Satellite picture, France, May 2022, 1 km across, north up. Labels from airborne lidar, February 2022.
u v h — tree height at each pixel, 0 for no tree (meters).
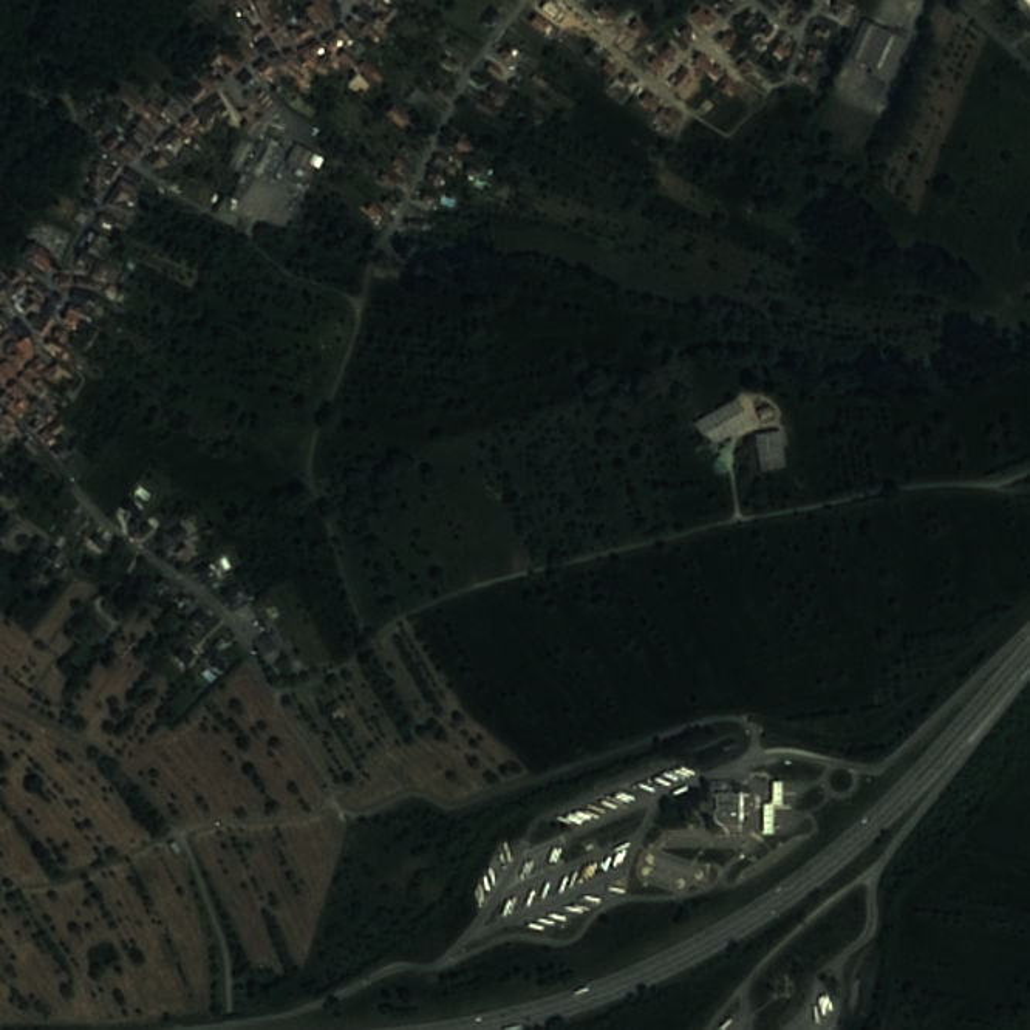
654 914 0
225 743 0
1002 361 30
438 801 0
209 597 0
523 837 0
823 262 0
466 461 0
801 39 0
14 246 14
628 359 0
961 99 0
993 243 0
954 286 36
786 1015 0
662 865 0
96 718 0
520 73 0
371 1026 0
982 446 0
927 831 6
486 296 8
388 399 0
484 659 0
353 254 13
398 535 0
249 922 0
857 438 8
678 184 0
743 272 0
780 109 0
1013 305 0
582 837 0
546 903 0
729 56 0
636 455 13
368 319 0
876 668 0
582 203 0
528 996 0
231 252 7
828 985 6
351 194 0
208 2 0
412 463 13
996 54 0
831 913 0
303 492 20
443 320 8
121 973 6
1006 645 0
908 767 0
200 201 0
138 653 7
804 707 0
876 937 0
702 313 26
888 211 0
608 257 0
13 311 0
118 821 0
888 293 0
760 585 0
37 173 24
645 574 0
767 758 0
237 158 0
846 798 0
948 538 0
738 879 0
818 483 0
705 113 0
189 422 10
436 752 0
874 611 0
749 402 0
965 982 0
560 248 0
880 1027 9
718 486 0
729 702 0
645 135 0
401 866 0
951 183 16
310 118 0
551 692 0
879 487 12
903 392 37
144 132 0
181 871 0
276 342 0
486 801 0
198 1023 0
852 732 0
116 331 0
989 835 0
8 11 23
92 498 0
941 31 0
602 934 0
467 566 0
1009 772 6
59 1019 0
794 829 0
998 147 0
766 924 0
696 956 0
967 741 0
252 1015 0
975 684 0
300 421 0
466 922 0
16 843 0
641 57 0
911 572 0
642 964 0
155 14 23
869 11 0
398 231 0
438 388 9
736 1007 0
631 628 0
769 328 19
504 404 0
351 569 0
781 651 0
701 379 0
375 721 5
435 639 0
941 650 6
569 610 0
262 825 0
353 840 0
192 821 0
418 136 8
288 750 0
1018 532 0
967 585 0
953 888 0
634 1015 0
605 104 0
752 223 0
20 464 7
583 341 0
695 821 0
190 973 0
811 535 0
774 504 6
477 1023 0
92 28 25
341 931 6
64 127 25
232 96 0
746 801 0
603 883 0
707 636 0
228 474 0
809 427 0
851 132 0
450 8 9
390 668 6
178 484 0
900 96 24
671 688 0
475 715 0
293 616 0
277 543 0
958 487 0
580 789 6
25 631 0
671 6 10
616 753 0
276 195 0
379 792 0
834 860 0
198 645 0
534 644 0
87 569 10
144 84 6
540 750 0
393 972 0
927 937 0
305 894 0
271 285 9
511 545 0
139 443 0
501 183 8
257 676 0
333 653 0
